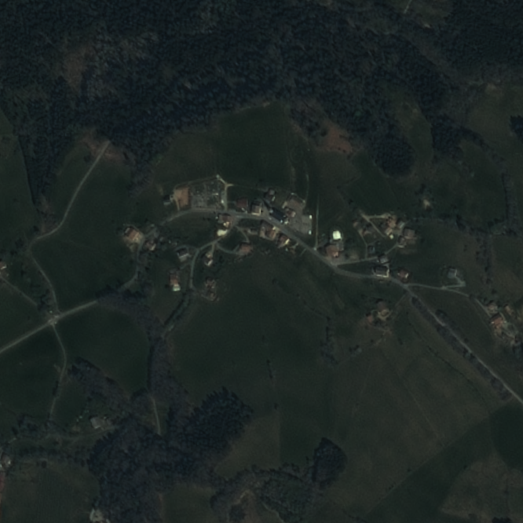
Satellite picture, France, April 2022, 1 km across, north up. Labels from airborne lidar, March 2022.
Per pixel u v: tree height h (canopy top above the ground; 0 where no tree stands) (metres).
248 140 0
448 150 20
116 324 0
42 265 0
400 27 21
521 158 0
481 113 0
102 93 29
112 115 20
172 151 0
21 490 0
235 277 0
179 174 0
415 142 0
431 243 0
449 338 23
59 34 28
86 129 35
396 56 26
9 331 0
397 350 0
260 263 0
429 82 26
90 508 0
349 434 0
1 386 0
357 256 0
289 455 0
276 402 0
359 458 0
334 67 29
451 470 0
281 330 0
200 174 0
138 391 0
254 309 0
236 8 21
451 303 0
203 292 0
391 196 0
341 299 0
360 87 27
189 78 16
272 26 18
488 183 0
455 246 0
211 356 0
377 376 0
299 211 0
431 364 0
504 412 0
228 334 0
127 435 26
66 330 0
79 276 0
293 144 0
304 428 0
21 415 0
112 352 0
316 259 0
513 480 0
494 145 0
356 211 13
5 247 0
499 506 0
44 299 11
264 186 16
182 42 24
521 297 0
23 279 7
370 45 19
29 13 23
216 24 25
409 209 0
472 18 17
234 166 0
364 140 25
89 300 0
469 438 0
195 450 23
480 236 20
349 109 28
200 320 0
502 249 0
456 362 0
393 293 0
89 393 17
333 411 0
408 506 0
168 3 22
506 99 0
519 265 0
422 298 0
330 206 0
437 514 0
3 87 18
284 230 0
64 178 0
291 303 0
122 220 0
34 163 16
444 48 22
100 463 24
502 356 0
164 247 11
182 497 0
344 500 0
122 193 0
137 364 0
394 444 0
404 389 0
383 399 0
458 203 0
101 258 0
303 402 0
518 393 0
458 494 0
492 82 15
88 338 0
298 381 0
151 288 21
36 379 0
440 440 0
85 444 0
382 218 0
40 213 15
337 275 0
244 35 20
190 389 0
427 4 19
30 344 0
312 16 9
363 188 0
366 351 0
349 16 25
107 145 0
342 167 0
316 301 0
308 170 0
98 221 0
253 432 0
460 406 0
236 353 0
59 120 33
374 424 0
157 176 0
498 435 0
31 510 0
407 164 23
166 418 0
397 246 0
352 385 0
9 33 13
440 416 0
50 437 19
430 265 0
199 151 0
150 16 31
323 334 0
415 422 0
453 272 0
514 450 0
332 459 24
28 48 19
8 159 0
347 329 0
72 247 0
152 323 27
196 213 0
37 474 0
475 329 0
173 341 0
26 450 0
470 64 30
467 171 14
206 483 25
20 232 0
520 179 0
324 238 0
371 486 0
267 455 0
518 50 21
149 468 22
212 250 0
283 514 17
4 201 0
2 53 28
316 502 20
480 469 0
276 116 0
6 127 0
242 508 0
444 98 26
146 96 27
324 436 0
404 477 0
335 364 23
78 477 0
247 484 19
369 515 0
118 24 27
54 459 15
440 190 0
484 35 20
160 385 27
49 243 0
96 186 0
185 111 15
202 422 22
